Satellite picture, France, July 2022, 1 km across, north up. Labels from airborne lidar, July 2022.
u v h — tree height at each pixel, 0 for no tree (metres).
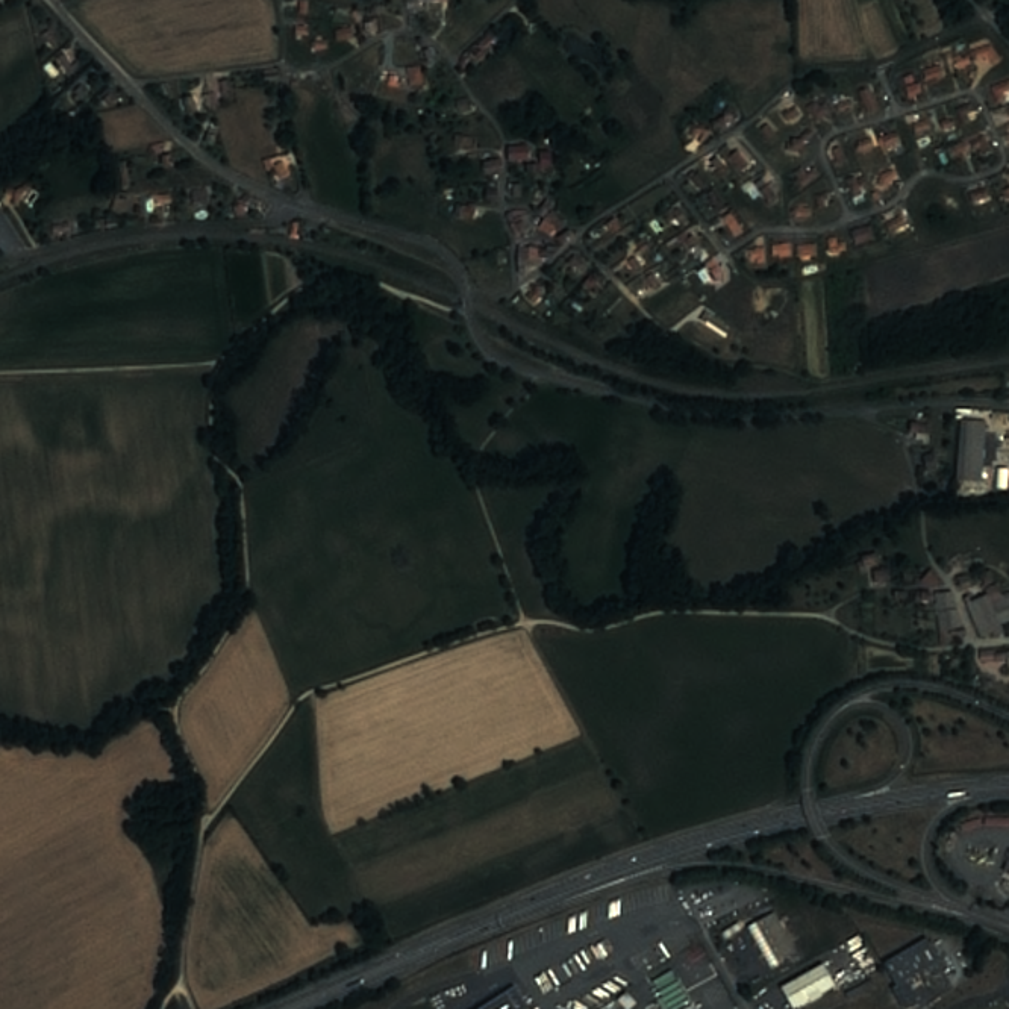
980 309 12
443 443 17
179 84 0
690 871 12
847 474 0
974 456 0
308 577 0
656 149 0
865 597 9
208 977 0
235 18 0
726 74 0
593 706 0
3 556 0
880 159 0
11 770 0
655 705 0
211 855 0
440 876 0
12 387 0
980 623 0
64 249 0
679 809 0
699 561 0
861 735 10
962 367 0
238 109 0
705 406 19
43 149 20
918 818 0
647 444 0
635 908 0
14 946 0
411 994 0
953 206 0
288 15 0
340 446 0
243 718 0
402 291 0
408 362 21
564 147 24
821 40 0
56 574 0
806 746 8
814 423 14
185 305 0
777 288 0
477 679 0
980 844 0
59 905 0
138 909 0
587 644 0
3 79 0
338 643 0
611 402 14
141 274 0
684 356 19
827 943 0
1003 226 0
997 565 0
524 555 0
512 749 0
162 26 0
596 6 0
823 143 0
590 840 0
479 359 11
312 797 0
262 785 0
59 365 0
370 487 0
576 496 15
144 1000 0
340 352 14
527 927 0
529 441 0
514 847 0
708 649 0
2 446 0
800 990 0
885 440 0
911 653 8
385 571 0
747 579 15
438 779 0
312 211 0
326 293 26
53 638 0
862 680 9
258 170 0
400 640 0
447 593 0
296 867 0
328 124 0
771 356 0
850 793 0
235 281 0
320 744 0
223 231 0
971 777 0
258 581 0
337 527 0
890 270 0
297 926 0
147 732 0
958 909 0
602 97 7
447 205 0
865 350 10
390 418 0
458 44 0
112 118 0
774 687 0
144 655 0
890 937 0
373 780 0
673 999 0
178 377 0
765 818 0
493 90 0
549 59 0
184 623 0
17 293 0
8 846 0
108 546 0
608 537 0
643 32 0
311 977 10
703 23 0
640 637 0
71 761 0
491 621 9
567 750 0
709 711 0
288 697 0
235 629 13
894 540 16
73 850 0
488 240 0
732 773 0
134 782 0
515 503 0
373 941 7
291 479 0
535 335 0
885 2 0
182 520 0
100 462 0
